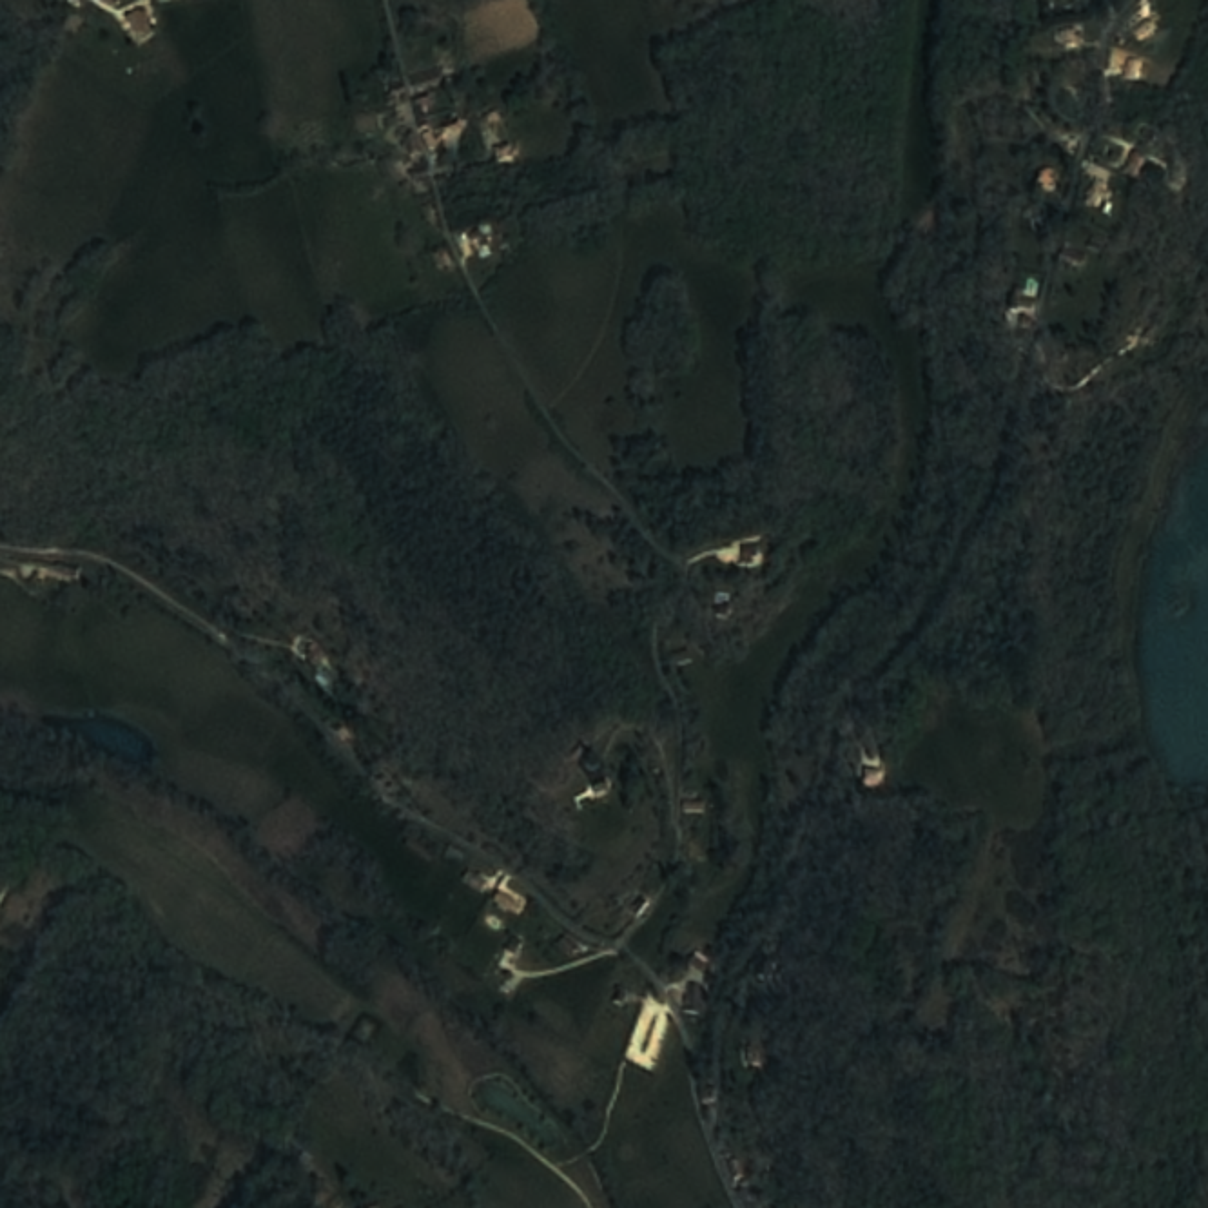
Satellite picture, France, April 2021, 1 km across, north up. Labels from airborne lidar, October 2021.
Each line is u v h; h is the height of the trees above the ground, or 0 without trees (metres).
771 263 21
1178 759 0
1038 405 12
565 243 13
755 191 21
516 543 24
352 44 0
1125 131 15
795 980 16
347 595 21
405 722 13
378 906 15
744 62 23
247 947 0
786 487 24
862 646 16
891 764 12
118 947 19
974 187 15
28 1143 27
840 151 18
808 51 22
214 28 0
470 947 0
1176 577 0
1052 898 8
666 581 5
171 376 22
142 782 15
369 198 0
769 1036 16
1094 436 17
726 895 0
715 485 17
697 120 22
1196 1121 22
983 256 12
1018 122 15
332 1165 0
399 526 22
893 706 16
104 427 19
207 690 0
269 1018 14
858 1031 21
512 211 6
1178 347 18
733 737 0
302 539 19
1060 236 16
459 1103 0
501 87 0
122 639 0
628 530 16
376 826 0
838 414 17
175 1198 15
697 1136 0
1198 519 0
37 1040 27
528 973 0
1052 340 12
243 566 19
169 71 0
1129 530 7
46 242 0
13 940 0
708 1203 0
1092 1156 23
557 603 22
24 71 13
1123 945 23
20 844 21
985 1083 18
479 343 0
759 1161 11
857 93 22
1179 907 18
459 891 0
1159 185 19
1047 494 16
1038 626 18
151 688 0
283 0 0
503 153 0
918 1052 20
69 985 23
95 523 16
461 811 13
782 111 18
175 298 0
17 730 18
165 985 22
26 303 17
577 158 16
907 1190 20
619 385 0
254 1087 15
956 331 18
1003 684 20
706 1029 7
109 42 10
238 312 0
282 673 14
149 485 19
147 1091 20
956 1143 20
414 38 7
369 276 0
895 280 16
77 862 21
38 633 0
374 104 0
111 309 0
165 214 0
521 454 0
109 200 0
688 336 23
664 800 7
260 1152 10
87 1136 31
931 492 14
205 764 0
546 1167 0
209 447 20
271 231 0
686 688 10
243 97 0
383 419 20
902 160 15
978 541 16
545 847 7
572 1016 0
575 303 0
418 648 19
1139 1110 20
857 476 25
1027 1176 15
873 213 21
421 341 0
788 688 18
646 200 21
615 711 18
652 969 0
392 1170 0
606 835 0
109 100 0
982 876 0
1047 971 14
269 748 0
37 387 15
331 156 10
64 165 0
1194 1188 18
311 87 0
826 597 0
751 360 23
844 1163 20
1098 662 23
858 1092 24
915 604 19
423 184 7
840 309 0
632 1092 0
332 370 20
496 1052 12
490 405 0
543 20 8
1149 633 0
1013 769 0
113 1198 18
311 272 0
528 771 18
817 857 14
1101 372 13
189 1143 6
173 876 0
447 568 26
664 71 20
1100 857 27
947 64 23
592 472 7
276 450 19
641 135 19
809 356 20
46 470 16
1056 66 10
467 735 18
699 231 17
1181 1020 23
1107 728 24
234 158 0
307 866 12
